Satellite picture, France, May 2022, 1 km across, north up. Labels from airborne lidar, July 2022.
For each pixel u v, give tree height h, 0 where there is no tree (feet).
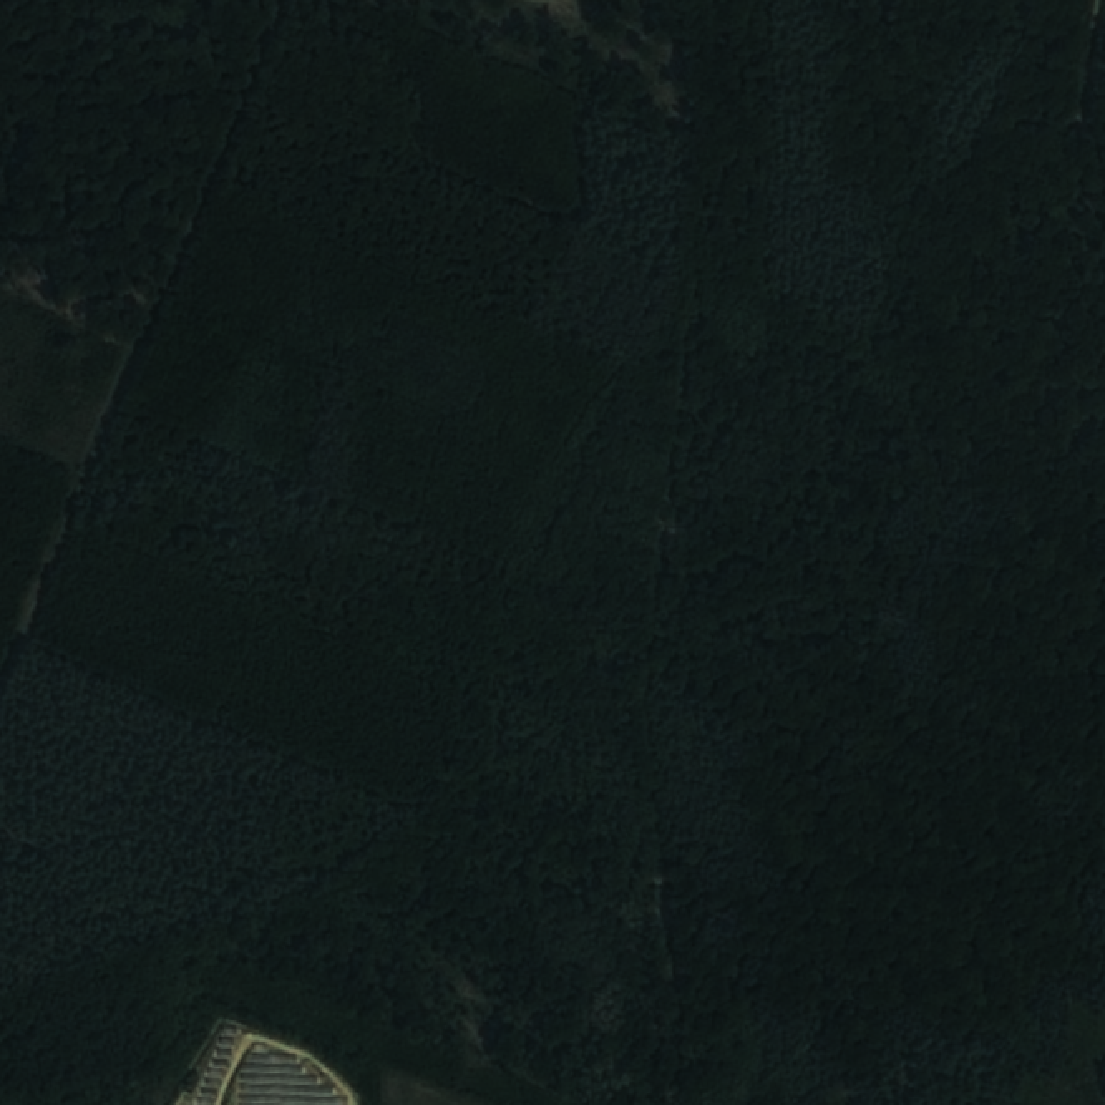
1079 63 59
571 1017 98
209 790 92
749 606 79
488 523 51
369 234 64
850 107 99
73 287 94
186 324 69
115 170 84
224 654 46
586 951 83
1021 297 87
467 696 44
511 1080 93
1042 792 80
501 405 53
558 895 81
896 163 82
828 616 80
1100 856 83
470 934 98
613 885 64
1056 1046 74
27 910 100
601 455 78
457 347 50
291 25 79
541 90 41
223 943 93
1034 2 96
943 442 96
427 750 49
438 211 82
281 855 91
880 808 79
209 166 69
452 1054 91
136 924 90
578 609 81
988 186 99
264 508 79
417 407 35
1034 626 98
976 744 80
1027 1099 0
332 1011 27
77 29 97
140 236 93
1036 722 86
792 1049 83
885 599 74
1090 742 96
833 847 75
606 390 62
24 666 93
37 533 68
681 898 93
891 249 79
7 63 90
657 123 103
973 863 83
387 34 37
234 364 68
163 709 99
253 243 53
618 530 78
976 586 94
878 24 79
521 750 82
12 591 58
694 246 75
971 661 91
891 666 76
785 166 79
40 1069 92
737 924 86
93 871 104
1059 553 93
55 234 98
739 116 99
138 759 101
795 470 89
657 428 81
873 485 101
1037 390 103
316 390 59
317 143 71
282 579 72
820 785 86
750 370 70
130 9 106
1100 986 76
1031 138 104
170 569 42
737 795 62
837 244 99
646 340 92
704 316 63
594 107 60
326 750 48
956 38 103
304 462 55
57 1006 74
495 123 33
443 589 65
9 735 93
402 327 54
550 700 91
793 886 82
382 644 64
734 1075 71
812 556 92
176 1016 76
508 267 76
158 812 95
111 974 73
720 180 82
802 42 80
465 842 85
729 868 76
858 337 71
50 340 18
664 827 66
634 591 86
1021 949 96
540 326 74
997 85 97
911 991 102
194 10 91
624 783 73
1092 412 100
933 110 84
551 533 73
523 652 73
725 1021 77
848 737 77
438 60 40
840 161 84
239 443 65
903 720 93
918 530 75
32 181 97
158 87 93
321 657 46
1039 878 93
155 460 73
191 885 93
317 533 84
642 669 78
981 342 104
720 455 84
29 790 103
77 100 98
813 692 92
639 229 103
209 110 103
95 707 96
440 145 35
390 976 99
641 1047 104
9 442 30
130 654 51
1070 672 92
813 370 99
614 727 74
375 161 84
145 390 66
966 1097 0
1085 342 89
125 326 86
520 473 48
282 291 51
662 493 58
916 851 85
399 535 60
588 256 70
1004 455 91
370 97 88
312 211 66
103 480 82
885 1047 84
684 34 87
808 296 59
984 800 92
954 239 93
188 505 36
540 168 32
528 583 62
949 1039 98
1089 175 101
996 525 88
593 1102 98
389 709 44
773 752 60
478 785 84
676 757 83
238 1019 41
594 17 100
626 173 101
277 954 91
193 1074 28
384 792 49
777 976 85
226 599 48
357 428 44
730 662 98
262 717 51
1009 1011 79
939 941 104
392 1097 0
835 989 86
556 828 95
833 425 100
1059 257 102
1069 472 87
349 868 91
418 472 36
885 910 91
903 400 89
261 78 76
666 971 53
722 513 95
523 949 86
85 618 47
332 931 80
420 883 85
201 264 50
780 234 88
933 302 95
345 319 46
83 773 88
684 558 88
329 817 49
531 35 102
